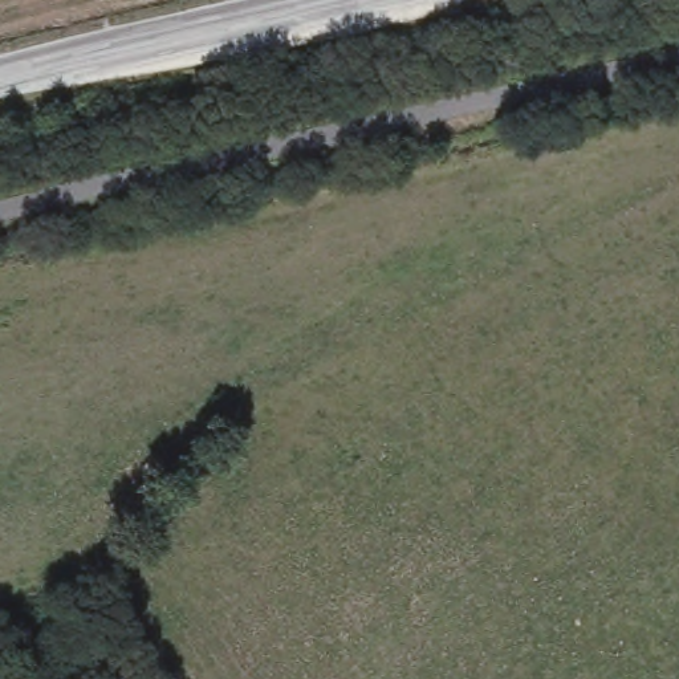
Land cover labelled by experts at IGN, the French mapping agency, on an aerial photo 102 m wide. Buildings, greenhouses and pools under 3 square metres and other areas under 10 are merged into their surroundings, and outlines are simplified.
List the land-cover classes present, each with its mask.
<instances>
[{"label":"agricultural land","instance_id":"1","mask_svg":"<svg viewBox=\"0 0 679 679\"><path fill-rule=\"evenodd\" d=\"M154 0H0V34L64 24L101 11L143 5ZM233 427H249L247 443L241 454L231 459L228 472L223 467H212L207 477H202L199 509L172 517L167 528V565L151 573H141L138 568H133L125 581L133 615L143 631V642L154 647L156 666L170 679H679V119L671 125L645 122L637 130L607 127L602 135L589 138L581 149L546 151L536 159L517 156L512 149H480L469 156H440L438 162L419 164L403 188H387L379 194H342L321 188L305 204L273 199L268 207L257 210L241 225L215 223L207 231H196L191 236H167L135 252L88 249L85 255H72L61 260L0 263V610L16 629L29 631V639L37 642L42 631L34 618V605L45 594H53L61 584H69L77 576L109 573L114 568L117 560L109 554V544L101 541L109 517H127L143 512L149 507L143 499V485L162 483L167 475L178 472L183 462L194 454L199 440L223 438Z\"/></svg>","mask_w":679,"mask_h":679},{"label":"deciduous trees","instance_id":"2","mask_svg":"<svg viewBox=\"0 0 679 679\"><path fill-rule=\"evenodd\" d=\"M679 42V0H448L446 5L430 11L416 21H401L393 29V34L345 40L321 53H308L302 45L281 40L271 53L241 56L239 64L215 66L210 72V80H194L186 69H172L88 85H53L42 93H8L5 98H0V199H34L50 188L95 175L111 178L130 172L135 167L159 170L167 164H178L183 159H202L225 149L289 141L300 133L318 130L324 125H347L353 119H366L377 114H401L406 109L435 103L443 98H462L477 90L509 88L530 77H546L565 66L618 61L626 56ZM613 88L610 98H599L594 93H584L581 98L568 93H552L549 98H538L520 111H509L504 117L493 114L491 119L467 127H451V141L440 143H419L406 135H390L379 143L350 141L345 149H340V154H334L332 172H326L316 162L289 164L284 172L276 175L273 188L265 191H255L249 178L233 180L231 175H207L202 180H172L154 188H133L127 199L109 202L90 215L40 217L11 233L5 244L0 241V263L61 260L72 255H85L88 249L135 252L167 236H191L196 231H207L215 223L241 225L257 210L268 207L273 199L305 204L321 188L342 194H379L387 188H403L419 164L438 162L440 156H469L480 149H512L517 156L536 159L546 151L581 149L589 138L602 135L607 127L637 130L645 122L671 125L679 119V66L668 74L650 72L645 77H621L615 72V77L607 80ZM249 427H233L223 438L199 440L194 454L183 462L178 472L167 475L162 483L143 485V499L149 507L143 512L127 517H109L101 541L109 544V554L117 560L114 568L109 573L77 576L69 584H61L53 594H45L34 605V618L42 631L37 642L29 639V631L16 629L0 610V679H170L156 666L154 647L143 642V631L133 615L125 581L133 568H138L141 573H151L167 565V528L172 517L199 509L202 477H207L212 467H223L228 472L231 459L241 454L247 443Z\"/></svg>","mask_w":679,"mask_h":679},{"label":"impervious surface","instance_id":"3","mask_svg":"<svg viewBox=\"0 0 679 679\"><path fill-rule=\"evenodd\" d=\"M448 0H215L138 21L103 24L90 32H77L0 53V98H5L8 93H42L53 85H88L172 69H186L194 80H210V72L215 66L239 64L241 56L271 53L281 40L302 45L308 53H321L345 40L393 34V29L401 21H416L430 11L446 5ZM679 66V42L626 56L618 61L565 66L546 77H530L509 88L477 90L462 98H443L435 103L406 109L401 114H377L366 119H353L347 125H324L318 130L300 133L289 141L225 149L202 159H183L178 164H167L159 170L135 167L130 172L111 178L95 175L50 188L34 199H0V241L5 244L11 233L40 217L90 215L109 202L127 199L133 188H154L172 180H202L207 175H231L233 180L249 178L255 191H265L273 188L276 175L284 172L289 164L316 162L326 172H332L334 154H340V149H345L350 141L379 143L390 135H406L419 143H440L451 141V127H467L491 119L493 114L504 117L509 111H520L538 98H549L552 93H568L581 98L584 93H594L599 98H610L613 88L607 80L615 77V72L621 77H645L650 72L668 74Z\"/></svg>","mask_w":679,"mask_h":679},{"label":"brushwood","instance_id":"4","mask_svg":"<svg viewBox=\"0 0 679 679\"><path fill-rule=\"evenodd\" d=\"M215 0H154L143 5L101 11L64 24L0 34V53L77 32H90L103 24L138 21Z\"/></svg>","mask_w":679,"mask_h":679}]
</instances>
